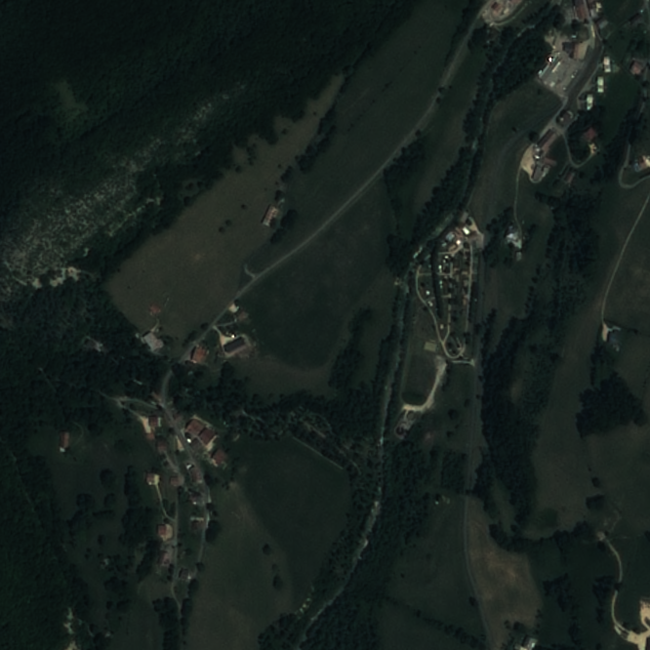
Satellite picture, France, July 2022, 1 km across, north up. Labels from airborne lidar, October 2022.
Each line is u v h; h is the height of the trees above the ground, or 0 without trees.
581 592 0
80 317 23
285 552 0
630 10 0
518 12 0
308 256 0
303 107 10
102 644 18
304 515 0
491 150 0
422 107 0
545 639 0
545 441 0
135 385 24
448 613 0
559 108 0
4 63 27
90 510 18
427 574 0
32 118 21
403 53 0
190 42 13
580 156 10
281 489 0
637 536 0
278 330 0
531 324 10
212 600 0
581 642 21
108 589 15
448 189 17
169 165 18
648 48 7
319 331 0
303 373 0
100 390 18
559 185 12
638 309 0
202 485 0
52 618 25
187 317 0
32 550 26
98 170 10
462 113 0
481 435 0
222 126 16
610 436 0
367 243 0
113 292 0
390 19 26
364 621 8
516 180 0
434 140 0
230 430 9
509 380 22
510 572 0
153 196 17
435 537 0
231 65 27
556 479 0
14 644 18
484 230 0
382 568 12
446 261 9
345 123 0
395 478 10
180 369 21
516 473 20
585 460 0
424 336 0
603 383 0
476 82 0
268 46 29
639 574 0
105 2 26
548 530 0
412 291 9
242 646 0
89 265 20
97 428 22
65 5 26
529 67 20
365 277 0
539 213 0
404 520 16
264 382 0
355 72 16
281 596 0
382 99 0
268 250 0
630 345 0
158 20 26
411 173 22
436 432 0
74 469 0
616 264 0
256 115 22
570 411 0
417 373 0
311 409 26
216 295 0
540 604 0
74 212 6
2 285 8
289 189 0
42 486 22
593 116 19
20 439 22
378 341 0
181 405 22
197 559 0
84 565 0
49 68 20
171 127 8
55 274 15
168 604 16
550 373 8
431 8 0
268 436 23
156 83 9
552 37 0
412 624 0
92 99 11
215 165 21
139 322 0
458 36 9
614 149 7
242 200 0
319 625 12
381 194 0
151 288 0
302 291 0
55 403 17
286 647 13
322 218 0
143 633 0
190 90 20
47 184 8
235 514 0
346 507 0
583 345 0
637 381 0
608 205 0
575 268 7
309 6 14
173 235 0
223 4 9
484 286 0
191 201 14
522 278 0
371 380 0
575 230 6
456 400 0
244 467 0
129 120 23
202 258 0
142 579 7
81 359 11
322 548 0
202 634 0
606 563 0
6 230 9
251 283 0
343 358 16
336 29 17
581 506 0
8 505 22
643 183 0
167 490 0
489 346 9
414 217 0
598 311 0
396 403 13
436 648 0
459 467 14
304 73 23
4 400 27
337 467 0
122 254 22
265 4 23
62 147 6
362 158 0
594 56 0
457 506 0
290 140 0
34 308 24
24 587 16
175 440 0
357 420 17
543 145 0
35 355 25
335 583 14
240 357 0
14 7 18
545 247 0
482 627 0
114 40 28
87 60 32
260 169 0
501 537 23
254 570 0
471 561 0
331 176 0
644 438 0
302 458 0
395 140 0
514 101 0
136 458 0
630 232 0
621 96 0
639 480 0
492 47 8
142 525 15
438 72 0
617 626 0
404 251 25
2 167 37
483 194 0
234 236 0
